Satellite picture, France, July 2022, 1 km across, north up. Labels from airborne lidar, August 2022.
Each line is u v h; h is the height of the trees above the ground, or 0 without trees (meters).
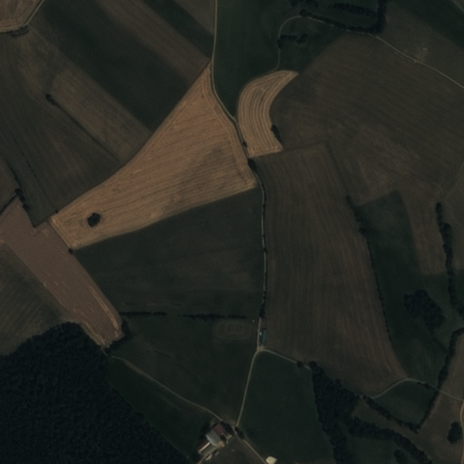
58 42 0
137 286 0
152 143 0
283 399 0
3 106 0
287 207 0
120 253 0
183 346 0
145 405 0
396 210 0
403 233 0
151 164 0
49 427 19
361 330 0
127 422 22
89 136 0
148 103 0
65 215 0
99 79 0
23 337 0
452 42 0
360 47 0
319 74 0
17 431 15
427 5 0
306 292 0
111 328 0
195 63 0
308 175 0
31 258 0
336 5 10
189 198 0
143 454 19
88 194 0
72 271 0
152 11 0
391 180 0
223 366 0
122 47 0
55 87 0
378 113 0
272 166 0
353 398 24
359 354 0
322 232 0
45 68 0
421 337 0
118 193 0
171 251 0
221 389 0
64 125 0
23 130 0
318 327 0
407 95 0
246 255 0
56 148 0
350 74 0
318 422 0
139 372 0
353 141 0
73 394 19
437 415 0
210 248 0
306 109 0
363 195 0
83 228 0
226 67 0
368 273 0
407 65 0
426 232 0
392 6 0
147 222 0
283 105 0
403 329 0
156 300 0
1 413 19
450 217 0
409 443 20
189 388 0
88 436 18
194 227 0
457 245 0
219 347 0
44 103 0
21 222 0
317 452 0
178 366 0
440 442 0
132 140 0
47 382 17
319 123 0
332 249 0
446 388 0
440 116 0
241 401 0
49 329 0
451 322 0
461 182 0
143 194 0
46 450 18
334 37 0
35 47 0
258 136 0
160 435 14
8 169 0
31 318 0
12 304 0
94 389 16
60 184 0
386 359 0
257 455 0
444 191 0
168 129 0
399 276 0
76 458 10
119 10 0
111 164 0
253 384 0
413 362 0
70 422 15
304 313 0
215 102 0
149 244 0
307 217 0
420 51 0
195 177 0
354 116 0
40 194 0
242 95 0
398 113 0
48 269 0
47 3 0
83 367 18
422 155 0
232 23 0
